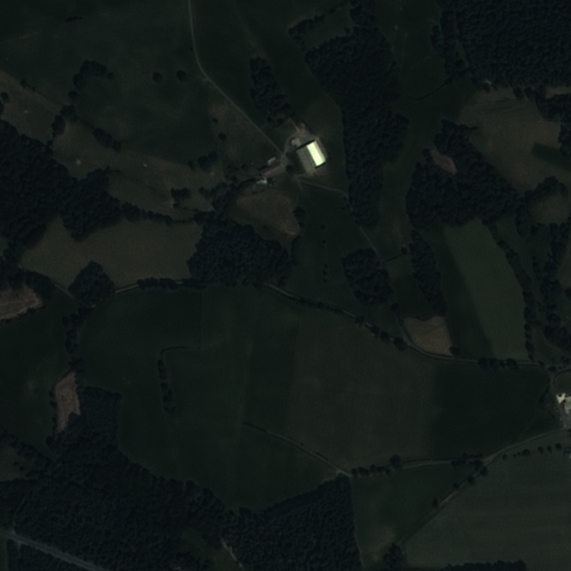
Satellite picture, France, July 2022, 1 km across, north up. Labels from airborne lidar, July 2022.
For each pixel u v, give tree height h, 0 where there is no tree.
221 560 0
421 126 0
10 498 11
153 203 0
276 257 22
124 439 0
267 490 0
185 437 0
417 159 0
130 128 0
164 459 0
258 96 21
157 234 0
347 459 0
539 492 0
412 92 0
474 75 14
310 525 25
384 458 0
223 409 0
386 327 0
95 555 11
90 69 20
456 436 0
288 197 0
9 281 18
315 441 0
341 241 0
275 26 0
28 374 0
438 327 0
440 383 0
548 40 22
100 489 31
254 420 0
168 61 0
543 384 0
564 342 21
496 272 0
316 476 0
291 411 0
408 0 0
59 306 0
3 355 0
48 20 0
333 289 0
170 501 19
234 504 0
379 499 0
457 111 0
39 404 0
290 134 0
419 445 0
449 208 30
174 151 0
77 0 0
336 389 0
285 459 0
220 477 0
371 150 18
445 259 0
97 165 0
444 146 23
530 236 16
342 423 0
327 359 0
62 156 0
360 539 0
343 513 20
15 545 9
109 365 0
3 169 27
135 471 23
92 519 19
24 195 21
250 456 0
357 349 0
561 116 18
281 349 0
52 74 0
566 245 17
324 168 0
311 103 0
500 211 25
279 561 26
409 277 0
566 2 31
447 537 0
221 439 0
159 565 15
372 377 0
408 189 0
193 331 0
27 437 0
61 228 0
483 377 0
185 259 0
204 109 0
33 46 0
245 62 0
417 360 0
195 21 0
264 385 0
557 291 16
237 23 0
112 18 0
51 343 0
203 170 16
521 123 0
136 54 0
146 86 0
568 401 0
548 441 0
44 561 18
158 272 0
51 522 9
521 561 0
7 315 0
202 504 22
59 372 0
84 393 21
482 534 0
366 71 25
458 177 13
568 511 0
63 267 0
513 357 0
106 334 0
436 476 0
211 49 0
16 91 0
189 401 0
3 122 21
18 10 0
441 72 0
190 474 0
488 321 0
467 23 28
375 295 25
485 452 0
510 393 0
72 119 15
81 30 0
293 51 0
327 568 25
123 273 0
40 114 0
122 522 23
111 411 26
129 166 0
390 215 0
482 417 0
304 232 0
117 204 14
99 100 0
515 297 0
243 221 0
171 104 0
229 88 0
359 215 16
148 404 0
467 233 0
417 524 0
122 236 0
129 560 10
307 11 0
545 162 0
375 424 0
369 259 26
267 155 0
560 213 0
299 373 0
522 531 0
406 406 0
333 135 0
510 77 15
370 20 22
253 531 24
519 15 28
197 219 16
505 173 0
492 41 25
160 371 14
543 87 18
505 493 0
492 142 0
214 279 19
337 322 0
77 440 10
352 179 18
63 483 23
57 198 26
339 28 0
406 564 0
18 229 20
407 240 0
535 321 5
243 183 8
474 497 0
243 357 0
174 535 21
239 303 0
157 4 0
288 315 0
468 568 19
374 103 25
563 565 0
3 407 0
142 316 0
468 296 0
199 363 0
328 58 22
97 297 14
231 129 0
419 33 0
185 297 0
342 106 18
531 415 0
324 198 0
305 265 0
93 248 0
